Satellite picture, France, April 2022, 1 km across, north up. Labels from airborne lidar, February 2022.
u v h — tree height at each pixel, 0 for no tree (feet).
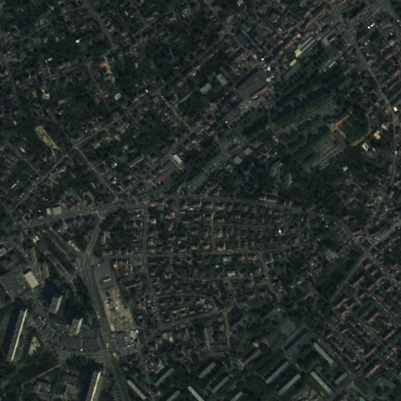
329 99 54
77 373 0
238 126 42
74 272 34
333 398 0
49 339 0
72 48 0
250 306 41
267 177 45
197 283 29
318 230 27
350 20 0
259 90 0
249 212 18
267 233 0
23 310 0
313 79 56
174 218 0
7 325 0
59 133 28
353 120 56
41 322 0
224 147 0
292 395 0
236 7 29
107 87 28
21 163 37
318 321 39
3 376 57
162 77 25
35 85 24
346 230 0
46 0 42
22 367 0
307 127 47
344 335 21
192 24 26
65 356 0
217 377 39
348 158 47
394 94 0
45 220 0
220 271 0
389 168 0
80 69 38
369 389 0
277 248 0
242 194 22
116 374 0
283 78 49
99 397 0
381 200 0
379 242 0
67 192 0
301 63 25
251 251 0
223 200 0
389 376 0
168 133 27
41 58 0
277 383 0
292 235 0
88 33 22
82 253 0
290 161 77
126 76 28
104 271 0
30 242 45
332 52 0
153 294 0
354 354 0
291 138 51
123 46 64
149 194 0
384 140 34
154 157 0
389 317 0
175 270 49
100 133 34
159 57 49
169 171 0
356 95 34
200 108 47
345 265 0
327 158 0
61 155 58
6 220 61
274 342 0
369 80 24
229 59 57
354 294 30
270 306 35
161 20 24
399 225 0
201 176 0
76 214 0
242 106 0
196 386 0
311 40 0
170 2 69
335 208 53
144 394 0
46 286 0
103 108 65
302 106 70
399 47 0
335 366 0
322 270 0
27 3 60
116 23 22
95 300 0
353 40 0
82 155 0
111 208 0
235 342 0
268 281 0
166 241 20
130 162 0
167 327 0
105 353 0
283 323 0
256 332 53
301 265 47
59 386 0
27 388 39
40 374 0
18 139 27
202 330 22
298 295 74
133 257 0
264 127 62
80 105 0
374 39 54
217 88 72
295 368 0
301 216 23
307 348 46
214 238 0
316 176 48
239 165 20
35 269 0
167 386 0
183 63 73
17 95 22
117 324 0
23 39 0
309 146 61
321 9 0
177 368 43
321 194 31
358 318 32
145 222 0
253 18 0
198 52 42
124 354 0
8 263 0
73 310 0
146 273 0
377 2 0
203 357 60
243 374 37
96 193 0
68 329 0
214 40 40
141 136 23
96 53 47
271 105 0
